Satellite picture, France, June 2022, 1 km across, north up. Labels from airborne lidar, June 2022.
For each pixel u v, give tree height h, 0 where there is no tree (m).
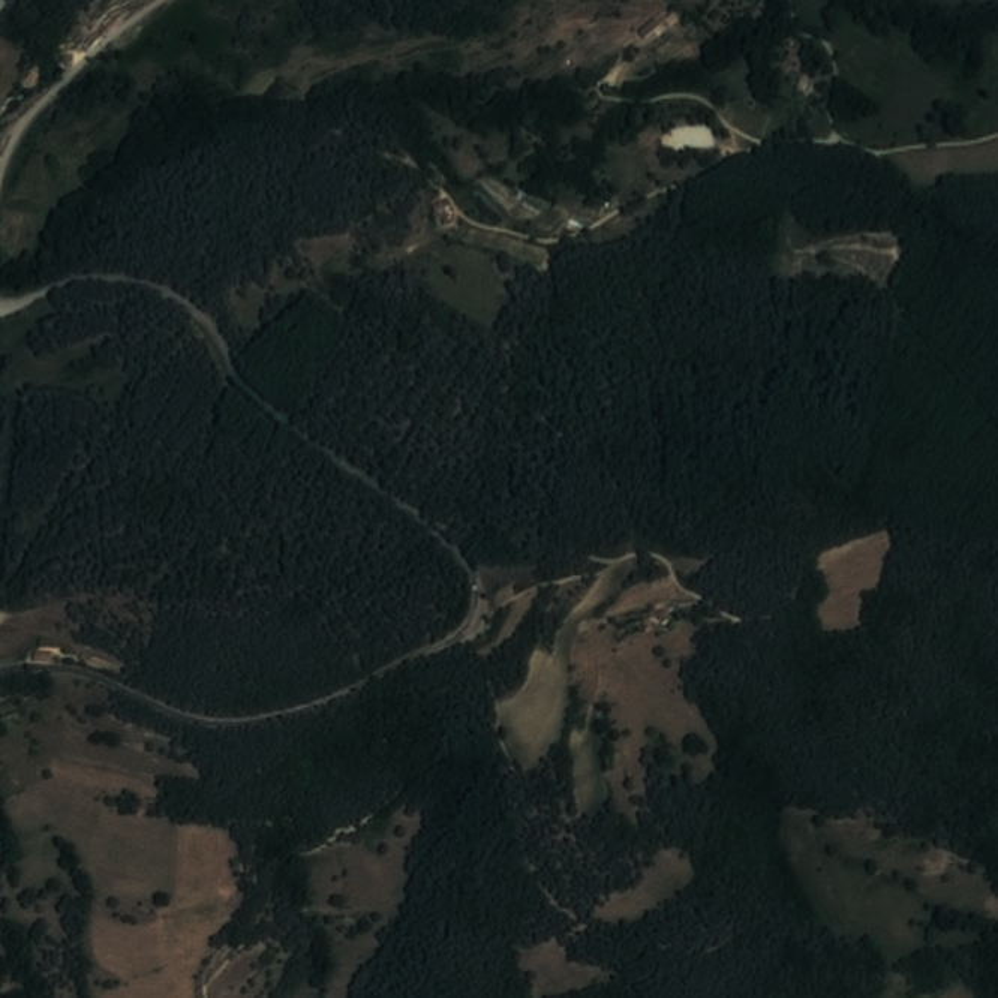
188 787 19
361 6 20
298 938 16
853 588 0
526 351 13
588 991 12
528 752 0
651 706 0
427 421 17
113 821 0
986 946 12
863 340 22
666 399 21
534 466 16
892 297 20
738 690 16
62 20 15
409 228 9
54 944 10
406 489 20
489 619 10
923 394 15
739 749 20
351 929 7
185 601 17
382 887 0
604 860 11
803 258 0
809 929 21
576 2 0
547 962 0
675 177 0
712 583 15
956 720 18
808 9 0
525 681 10
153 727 10
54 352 14
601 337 20
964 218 20
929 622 17
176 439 16
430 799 18
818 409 30
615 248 19
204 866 0
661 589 0
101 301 18
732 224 12
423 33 13
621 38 0
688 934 17
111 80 18
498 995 14
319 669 13
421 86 26
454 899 18
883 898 0
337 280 10
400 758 15
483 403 16
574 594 9
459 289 0
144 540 16
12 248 0
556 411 20
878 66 0
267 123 17
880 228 16
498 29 10
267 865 11
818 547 10
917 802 15
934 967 16
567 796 17
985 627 17
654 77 8
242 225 14
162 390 17
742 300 23
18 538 13
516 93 8
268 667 15
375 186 14
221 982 0
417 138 15
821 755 17
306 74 0
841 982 10
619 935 10
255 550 14
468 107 18
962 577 16
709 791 16
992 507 13
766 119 0
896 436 13
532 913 16
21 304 0
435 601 16
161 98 16
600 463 15
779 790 21
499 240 0
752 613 10
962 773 13
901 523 13
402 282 15
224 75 0
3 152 0
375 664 16
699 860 13
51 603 0
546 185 17
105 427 17
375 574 19
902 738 11
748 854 14
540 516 16
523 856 17
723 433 26
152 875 0
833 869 0
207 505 18
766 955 19
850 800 17
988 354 16
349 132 15
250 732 15
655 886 0
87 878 16
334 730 13
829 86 6
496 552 25
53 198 0
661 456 28
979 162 0
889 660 14
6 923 13
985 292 14
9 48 0
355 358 19
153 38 7
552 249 8
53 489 12
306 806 12
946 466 13
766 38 27
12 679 11
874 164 14
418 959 17
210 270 17
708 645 13
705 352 16
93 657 0
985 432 17
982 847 11
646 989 16
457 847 25
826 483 9
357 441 20
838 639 15
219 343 0
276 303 11
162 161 18
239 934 17
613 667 0
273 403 21
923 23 24
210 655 12
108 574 16
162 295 18
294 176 15
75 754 0
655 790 16
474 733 23
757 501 14
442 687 11
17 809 0
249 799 16
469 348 19
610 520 20
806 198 18
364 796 15
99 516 16
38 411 16
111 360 14
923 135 14
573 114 11
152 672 11
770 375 18
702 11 10
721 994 17
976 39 20
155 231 20
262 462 20
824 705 13
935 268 13
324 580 18
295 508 17
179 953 0
